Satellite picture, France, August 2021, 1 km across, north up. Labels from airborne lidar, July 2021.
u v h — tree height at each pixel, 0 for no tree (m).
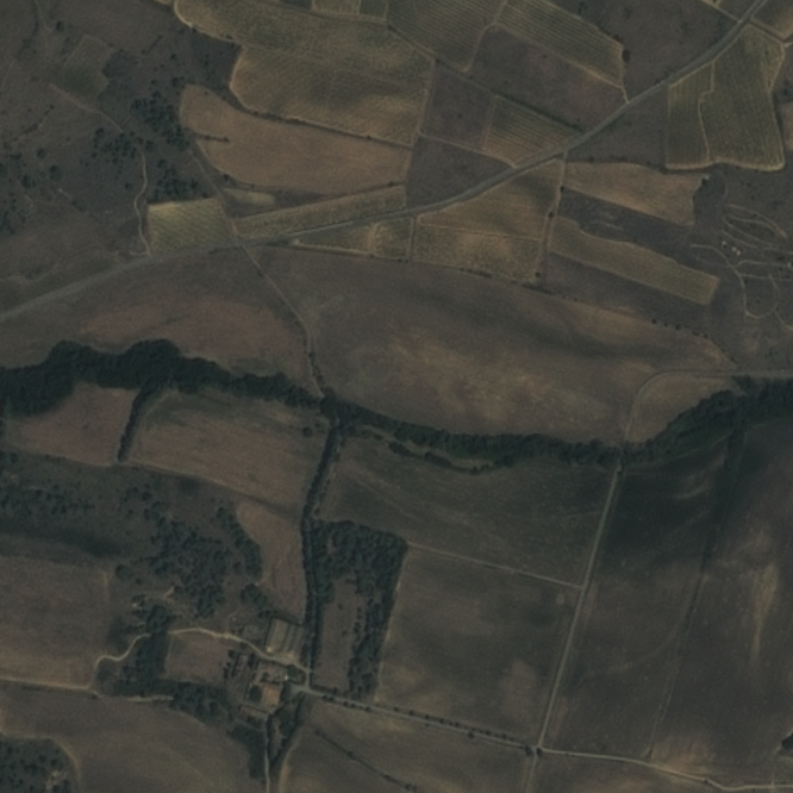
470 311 0
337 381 0
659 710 0
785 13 0
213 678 0
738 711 0
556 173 0
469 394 0
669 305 0
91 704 0
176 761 0
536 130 0
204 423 0
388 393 0
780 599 0
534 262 0
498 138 0
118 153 8
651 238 0
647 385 0
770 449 0
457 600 0
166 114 10
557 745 0
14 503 10
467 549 0
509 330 0
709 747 0
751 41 0
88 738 0
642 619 0
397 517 0
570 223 0
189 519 0
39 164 0
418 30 0
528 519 0
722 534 0
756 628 0
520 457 6
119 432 0
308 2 0
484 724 0
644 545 0
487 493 0
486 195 0
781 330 0
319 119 0
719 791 0
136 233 0
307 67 0
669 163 0
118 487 0
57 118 0
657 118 0
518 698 0
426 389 0
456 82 0
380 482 0
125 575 7
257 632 0
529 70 0
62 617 0
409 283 0
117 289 0
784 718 0
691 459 0
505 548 0
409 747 0
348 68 0
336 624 0
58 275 0
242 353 0
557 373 0
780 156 0
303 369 0
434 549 0
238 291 0
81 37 0
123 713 0
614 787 0
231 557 10
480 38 0
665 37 0
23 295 0
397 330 0
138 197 0
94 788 0
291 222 0
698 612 0
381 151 0
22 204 0
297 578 0
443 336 0
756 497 0
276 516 0
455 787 0
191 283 0
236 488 0
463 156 0
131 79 0
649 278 0
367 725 0
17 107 0
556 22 0
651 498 0
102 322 0
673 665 0
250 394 12
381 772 0
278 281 0
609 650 0
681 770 0
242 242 0
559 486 0
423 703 0
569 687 0
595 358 0
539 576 0
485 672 0
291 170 0
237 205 0
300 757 0
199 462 0
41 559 0
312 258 0
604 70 0
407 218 0
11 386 23
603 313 0
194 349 0
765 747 0
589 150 0
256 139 0
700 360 0
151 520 7
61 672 0
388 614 6
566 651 0
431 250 0
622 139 0
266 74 0
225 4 0
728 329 0
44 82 0
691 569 0
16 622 0
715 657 0
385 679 0
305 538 13
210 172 0
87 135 0
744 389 20
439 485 0
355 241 0
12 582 0
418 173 0
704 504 0
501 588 0
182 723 0
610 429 0
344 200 0
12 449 0
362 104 0
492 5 0
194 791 0
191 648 0
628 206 0
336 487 0
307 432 9
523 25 0
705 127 0
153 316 0
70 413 0
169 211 0
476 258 0
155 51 0
